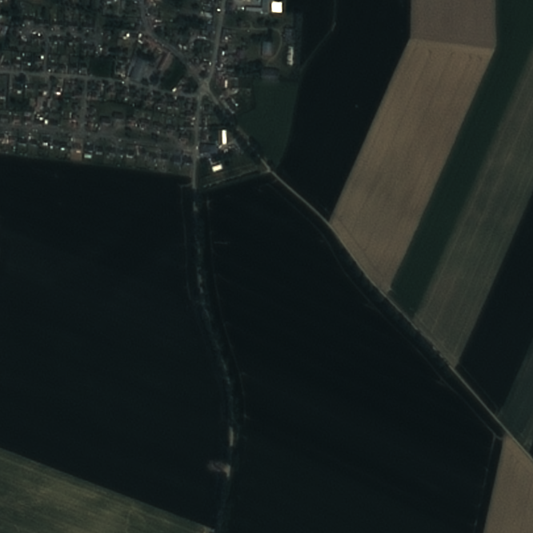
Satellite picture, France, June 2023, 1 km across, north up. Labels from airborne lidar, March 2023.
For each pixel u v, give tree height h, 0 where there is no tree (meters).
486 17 0
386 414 0
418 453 0
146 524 0
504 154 0
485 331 0
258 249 0
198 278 0
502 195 0
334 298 0
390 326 0
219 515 23
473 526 0
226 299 0
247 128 0
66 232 0
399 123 0
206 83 0
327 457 0
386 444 0
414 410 0
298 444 0
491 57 0
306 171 0
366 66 0
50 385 0
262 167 0
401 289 0
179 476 0
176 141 0
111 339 0
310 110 0
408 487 0
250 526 0
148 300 0
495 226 0
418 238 0
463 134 0
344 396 0
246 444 0
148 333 0
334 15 0
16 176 0
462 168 0
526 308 0
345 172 0
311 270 0
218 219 0
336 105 0
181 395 0
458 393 0
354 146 0
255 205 0
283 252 0
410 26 0
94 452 0
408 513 0
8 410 0
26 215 0
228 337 0
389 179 0
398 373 0
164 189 0
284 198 0
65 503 0
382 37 0
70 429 0
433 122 0
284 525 0
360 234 0
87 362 0
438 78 0
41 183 0
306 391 0
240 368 0
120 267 0
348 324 0
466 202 0
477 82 0
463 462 0
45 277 0
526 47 0
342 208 0
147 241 0
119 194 0
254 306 0
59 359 0
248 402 0
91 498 0
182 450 0
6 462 0
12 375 0
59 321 0
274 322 0
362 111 0
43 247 0
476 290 0
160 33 15
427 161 0
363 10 0
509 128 0
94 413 0
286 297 0
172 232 0
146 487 0
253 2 0
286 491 0
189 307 0
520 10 0
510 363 0
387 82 0
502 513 0
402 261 0
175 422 0
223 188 0
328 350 0
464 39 0
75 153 0
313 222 0
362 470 0
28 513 0
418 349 0
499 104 0
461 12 0
